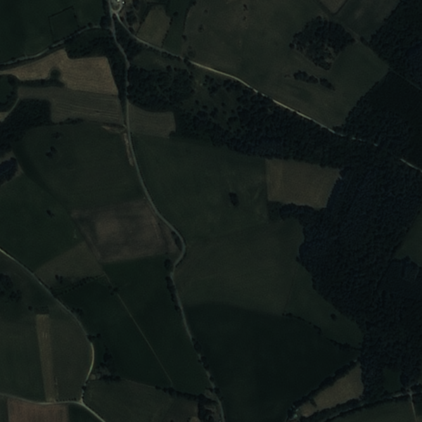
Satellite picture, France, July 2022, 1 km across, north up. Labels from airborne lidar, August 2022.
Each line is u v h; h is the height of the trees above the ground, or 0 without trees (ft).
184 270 0
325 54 23
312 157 20
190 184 0
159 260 0
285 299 0
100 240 0
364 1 0
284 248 0
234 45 0
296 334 0
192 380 0
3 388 0
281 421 0
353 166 51
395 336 73
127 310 0
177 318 0
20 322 0
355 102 0
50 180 0
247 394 0
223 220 0
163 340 0
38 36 0
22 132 42
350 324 0
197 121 45
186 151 0
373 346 72
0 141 39
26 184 0
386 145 54
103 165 0
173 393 62
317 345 0
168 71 33
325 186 0
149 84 31
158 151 0
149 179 0
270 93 0
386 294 69
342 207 70
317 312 0
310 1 0
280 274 0
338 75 0
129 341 0
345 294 70
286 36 0
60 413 0
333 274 70
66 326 0
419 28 20
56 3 0
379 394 57
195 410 0
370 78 0
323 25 29
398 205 68
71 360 0
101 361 0
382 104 28
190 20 0
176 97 42
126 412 0
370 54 0
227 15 0
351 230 82
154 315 0
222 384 0
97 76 0
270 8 0
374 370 69
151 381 0
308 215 59
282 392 0
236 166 0
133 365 0
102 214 0
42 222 0
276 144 83
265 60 0
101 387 0
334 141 54
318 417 32
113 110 0
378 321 57
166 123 0
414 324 53
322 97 0
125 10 0
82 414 0
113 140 0
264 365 0
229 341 0
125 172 0
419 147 19
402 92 23
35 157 0
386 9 0
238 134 35
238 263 0
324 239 83
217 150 0
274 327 0
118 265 0
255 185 0
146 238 0
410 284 48
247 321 0
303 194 0
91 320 0
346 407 31
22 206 0
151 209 0
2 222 0
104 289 0
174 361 0
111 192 0
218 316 0
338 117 0
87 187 0
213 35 0
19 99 0
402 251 0
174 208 0
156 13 0
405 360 81
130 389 0
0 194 0
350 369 44
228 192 0
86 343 0
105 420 0
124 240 0
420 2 55
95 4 0
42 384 0
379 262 66
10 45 0
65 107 0
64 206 0
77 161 0
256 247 0
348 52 0
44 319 0
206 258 0
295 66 0
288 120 36
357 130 35
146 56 0
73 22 0
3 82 0
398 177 72
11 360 0
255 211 0
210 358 0
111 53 24
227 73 0
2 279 57
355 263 60
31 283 0
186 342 0
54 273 0
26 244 0
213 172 0
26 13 0
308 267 78
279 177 0
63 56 0
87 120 0
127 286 0
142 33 0
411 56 86
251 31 0
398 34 24
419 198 79
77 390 0
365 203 92
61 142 0
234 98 0
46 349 0
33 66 0
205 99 0
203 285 0
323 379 0
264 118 27
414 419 0
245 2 0
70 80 0
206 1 0
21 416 0
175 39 0
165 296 0
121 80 49
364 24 0
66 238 0
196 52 0
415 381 59
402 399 46
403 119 29
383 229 49
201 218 0
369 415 0
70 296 0
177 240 40
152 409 0
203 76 0
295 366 0
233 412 0
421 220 0
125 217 0
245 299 0
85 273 0
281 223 0
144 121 0
